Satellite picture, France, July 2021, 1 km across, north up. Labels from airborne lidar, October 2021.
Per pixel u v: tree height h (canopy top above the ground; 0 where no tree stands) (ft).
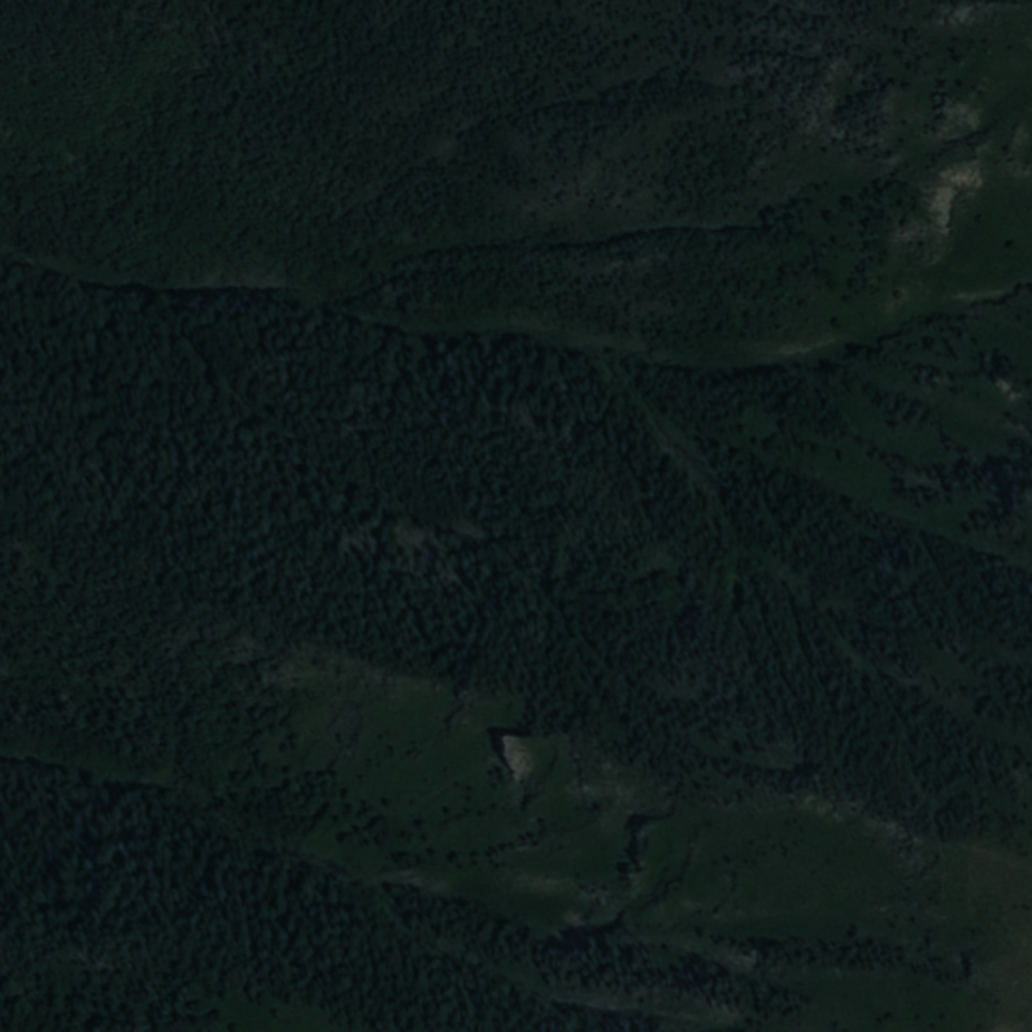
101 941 50
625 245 43
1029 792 0
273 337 94
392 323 22
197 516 72
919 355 0
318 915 71
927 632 29
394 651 32
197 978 65
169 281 42
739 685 28
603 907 0
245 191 34
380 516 65
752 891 0
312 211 54
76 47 49
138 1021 81
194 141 38
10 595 21
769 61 18
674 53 39
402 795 0
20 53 46
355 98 44
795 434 52
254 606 34
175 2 47
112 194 46
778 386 45
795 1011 22
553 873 0
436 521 21
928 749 33
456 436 67
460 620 75
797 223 43
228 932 72
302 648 28
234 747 52
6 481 38
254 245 46
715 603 38
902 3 33
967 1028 0
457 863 42
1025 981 0
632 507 24
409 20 32
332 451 70
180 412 54
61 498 45
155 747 67
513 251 46
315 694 25
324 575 56
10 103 63
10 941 35
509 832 0
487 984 53
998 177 0
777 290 29
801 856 0
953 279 0
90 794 53
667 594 39
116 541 61
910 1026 0
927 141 0
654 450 43
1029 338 0
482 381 41
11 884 80
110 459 85
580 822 0
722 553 55
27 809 102
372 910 47
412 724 0
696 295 41
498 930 47
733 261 27
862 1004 0
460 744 0
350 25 42
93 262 22
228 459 98
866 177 0
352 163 21
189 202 56
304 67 47
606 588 55
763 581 33
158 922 44
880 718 30
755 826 0
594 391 78
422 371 31
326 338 72
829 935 0
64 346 71
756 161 41
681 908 0
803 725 42
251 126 53
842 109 31
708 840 0
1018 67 0
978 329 0
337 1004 48
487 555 64
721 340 23
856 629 37
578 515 43
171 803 59
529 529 45
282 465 46
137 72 36
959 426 0
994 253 0
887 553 41
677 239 41
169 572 47
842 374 58
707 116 26
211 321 107
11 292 95
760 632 43
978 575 43
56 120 40
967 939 0
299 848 0
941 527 0
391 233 49
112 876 73
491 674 48
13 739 64
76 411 88
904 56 51
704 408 49
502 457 55
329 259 53
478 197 29
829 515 31
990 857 0
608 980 48
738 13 27
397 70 47
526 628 53
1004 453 0
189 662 32
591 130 37
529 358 65
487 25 53
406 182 32
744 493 50
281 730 32
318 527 32
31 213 58
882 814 31
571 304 30
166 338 97
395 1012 52
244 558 41
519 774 0
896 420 36
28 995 34
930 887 0
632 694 23
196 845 44
